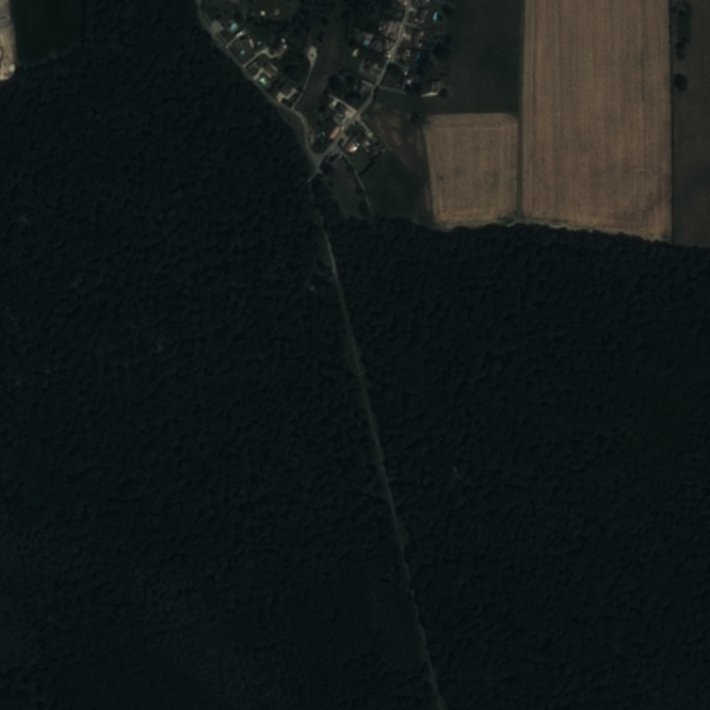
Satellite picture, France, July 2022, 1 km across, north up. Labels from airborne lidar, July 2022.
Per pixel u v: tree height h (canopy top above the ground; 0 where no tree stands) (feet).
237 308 92
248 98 70
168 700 46
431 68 39
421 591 87
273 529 75
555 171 0
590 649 84
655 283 85
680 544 74
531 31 0
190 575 81
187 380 81
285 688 65
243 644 41
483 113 0
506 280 89
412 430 86
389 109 0
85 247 76
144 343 92
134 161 85
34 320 94
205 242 52
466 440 79
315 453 73
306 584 44
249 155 82
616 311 83
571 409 86
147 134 76
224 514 76
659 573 70
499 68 0
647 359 77
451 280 71
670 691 69
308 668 47
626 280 101
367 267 54
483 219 0
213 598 75
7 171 86
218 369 71
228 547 85
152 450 85
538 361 87
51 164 85
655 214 0
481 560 85
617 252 89
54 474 85
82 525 95
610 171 0
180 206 78
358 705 70
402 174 0
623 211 0
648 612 71
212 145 84
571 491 80
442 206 0
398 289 89
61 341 85
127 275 87
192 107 83
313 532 58
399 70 55
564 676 76
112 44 86
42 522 94
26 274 81
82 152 78
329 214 80
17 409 88
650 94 0
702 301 90
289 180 61
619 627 75
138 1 76
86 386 75
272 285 71
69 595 69
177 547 74
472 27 0
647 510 72
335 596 45
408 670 57
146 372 89
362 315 71
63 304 79
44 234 77
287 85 0
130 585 86
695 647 74
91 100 85
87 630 86
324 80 0
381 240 77
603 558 71
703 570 73
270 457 84
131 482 90
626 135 0
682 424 68
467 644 85
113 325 78
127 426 72
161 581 96
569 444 81
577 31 0
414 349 84
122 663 46
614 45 0
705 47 0
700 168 0
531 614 82
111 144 81
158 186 81
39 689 86
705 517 84
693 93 0
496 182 0
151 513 79
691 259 83
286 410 35
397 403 73
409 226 77
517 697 81
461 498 81
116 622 85
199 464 52
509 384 78
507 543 64
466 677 79
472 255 86
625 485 78
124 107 79
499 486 69
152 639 56
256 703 63
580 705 69
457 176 0
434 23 0
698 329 86
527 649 84
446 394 88
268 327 82
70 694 51
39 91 77
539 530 68
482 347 90
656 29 0
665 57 0
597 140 0
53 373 96
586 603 79
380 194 0
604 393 81
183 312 81
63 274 79
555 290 87
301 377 76
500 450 77
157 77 87
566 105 0
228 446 70
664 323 70
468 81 0
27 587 75
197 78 73
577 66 0
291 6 0
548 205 0
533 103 0
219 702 40
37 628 58
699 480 70
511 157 0
